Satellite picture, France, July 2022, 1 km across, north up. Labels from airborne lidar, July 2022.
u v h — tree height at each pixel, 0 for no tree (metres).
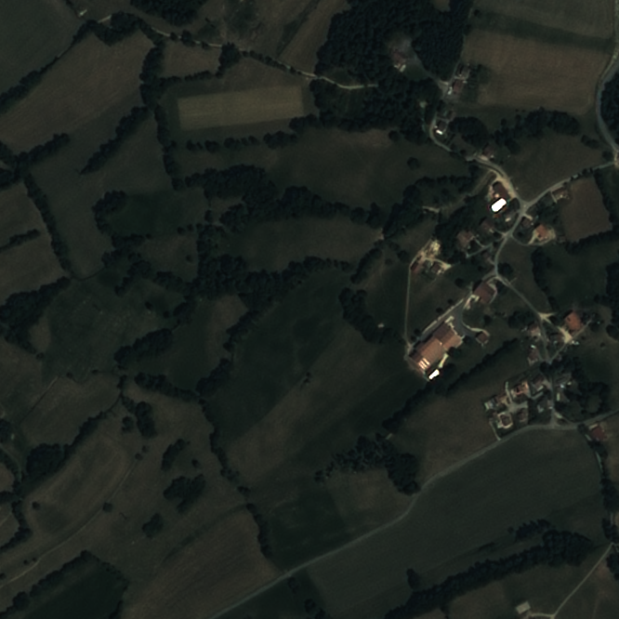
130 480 0
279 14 0
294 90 0
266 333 0
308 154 0
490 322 18
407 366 0
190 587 0
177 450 15
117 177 0
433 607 22
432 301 0
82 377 0
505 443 0
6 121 0
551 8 0
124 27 17
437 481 0
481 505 0
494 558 0
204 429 0
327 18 0
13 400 0
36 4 0
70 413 0
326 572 0
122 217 0
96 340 0
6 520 0
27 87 20
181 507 11
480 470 0
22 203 0
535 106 0
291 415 0
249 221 24
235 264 19
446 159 0
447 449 0
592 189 0
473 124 26
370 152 0
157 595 0
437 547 0
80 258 0
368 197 0
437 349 0
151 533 13
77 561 12
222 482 0
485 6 0
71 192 0
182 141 0
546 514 0
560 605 0
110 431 0
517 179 0
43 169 0
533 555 15
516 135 15
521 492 0
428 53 24
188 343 0
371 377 0
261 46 0
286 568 0
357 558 0
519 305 0
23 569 0
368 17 21
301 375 0
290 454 0
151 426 22
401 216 27
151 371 0
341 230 0
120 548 0
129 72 0
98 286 0
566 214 0
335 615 0
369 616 0
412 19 28
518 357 0
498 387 0
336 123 25
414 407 18
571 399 25
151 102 23
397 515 0
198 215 0
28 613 0
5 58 0
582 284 0
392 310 0
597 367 0
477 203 19
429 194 0
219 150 17
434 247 0
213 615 0
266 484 0
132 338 0
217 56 0
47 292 22
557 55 0
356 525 0
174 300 0
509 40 0
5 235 0
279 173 0
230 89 0
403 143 0
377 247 16
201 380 0
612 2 0
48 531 0
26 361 0
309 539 0
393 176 0
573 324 0
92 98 0
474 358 0
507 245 0
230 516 0
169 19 21
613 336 13
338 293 0
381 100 15
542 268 20
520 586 0
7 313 19
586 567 0
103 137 0
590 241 14
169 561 0
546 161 0
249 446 0
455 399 0
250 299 24
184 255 0
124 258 16
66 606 0
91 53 0
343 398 0
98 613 0
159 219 0
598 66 0
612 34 0
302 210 28
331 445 0
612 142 0
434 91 24
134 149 0
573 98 0
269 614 0
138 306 0
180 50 0
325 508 0
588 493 0
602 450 24
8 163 26
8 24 0
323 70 22
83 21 0
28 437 0
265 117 0
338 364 0
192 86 0
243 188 27
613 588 0
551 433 0
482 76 0
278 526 0
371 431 0
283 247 0
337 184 0
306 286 0
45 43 0
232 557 0
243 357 0
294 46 0
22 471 0
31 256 0
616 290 24
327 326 0
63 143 17
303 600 0
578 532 0
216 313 0
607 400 10
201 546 0
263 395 0
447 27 24
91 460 0
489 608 0
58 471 11
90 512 0
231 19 0
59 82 0
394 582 0
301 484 0
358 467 30
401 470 25
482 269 11
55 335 0
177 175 21
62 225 0
